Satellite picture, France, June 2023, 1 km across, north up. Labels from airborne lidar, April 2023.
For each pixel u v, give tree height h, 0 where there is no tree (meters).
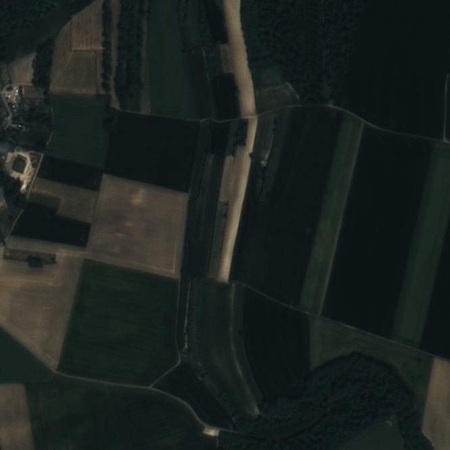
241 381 0
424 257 0
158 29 0
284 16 5
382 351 0
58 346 0
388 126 0
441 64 0
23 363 0
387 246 0
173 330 0
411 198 0
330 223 0
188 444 0
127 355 0
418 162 0
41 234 0
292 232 0
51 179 0
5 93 0
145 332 0
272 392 0
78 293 0
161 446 0
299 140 0
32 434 0
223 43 0
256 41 8
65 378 0
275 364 0
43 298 0
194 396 0
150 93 0
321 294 0
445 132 0
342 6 22
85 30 0
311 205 0
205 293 0
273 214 0
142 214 0
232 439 10
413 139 0
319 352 0
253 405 0
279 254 0
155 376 0
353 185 0
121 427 0
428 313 0
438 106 0
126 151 0
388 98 0
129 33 12
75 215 0
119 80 20
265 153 0
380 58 0
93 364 0
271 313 0
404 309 0
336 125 0
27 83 0
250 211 0
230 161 0
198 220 0
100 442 0
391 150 0
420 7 0
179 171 0
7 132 9
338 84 12
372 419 22
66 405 0
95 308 0
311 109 0
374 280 0
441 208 0
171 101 0
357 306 0
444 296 0
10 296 0
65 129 0
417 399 0
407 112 0
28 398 0
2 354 0
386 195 0
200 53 0
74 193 0
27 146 10
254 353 0
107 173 0
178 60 0
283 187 0
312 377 19
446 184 0
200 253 0
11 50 0
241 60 0
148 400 0
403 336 0
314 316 0
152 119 0
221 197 0
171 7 0
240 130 6
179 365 0
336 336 0
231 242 0
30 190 0
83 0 18
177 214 0
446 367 0
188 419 0
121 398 0
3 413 0
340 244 0
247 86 0
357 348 0
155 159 0
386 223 0
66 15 0
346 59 15
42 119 9
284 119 0
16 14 31
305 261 0
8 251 0
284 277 0
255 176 0
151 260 0
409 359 0
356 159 0
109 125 22
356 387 19
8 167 0
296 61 15
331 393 28
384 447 0
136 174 0
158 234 0
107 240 0
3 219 0
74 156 0
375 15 0
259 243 0
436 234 0
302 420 18
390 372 19
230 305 0
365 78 0
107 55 21
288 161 0
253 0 7
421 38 0
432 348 0
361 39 0
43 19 0
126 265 0
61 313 0
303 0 7
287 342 0
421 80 0
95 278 0
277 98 0
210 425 0
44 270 0
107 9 19
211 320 0
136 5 12
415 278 0
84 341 0
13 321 0
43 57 22
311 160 0
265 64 18
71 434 0
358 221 0
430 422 0
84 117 0
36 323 0
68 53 0
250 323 0
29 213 0
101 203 0
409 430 30
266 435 17
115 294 0
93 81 0
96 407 0
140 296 0
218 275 0
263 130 0
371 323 0
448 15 0
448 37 0
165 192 0
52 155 0
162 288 0
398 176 0
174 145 0
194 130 0
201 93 0
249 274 0
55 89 0
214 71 8
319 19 8
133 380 0
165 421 0
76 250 0
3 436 0
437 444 0
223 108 0
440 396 0
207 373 6
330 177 0
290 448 31
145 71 0
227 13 0
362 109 0
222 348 0
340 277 0
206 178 0
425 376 0
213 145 0
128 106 0
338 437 23
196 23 0
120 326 0
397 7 0
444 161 0
